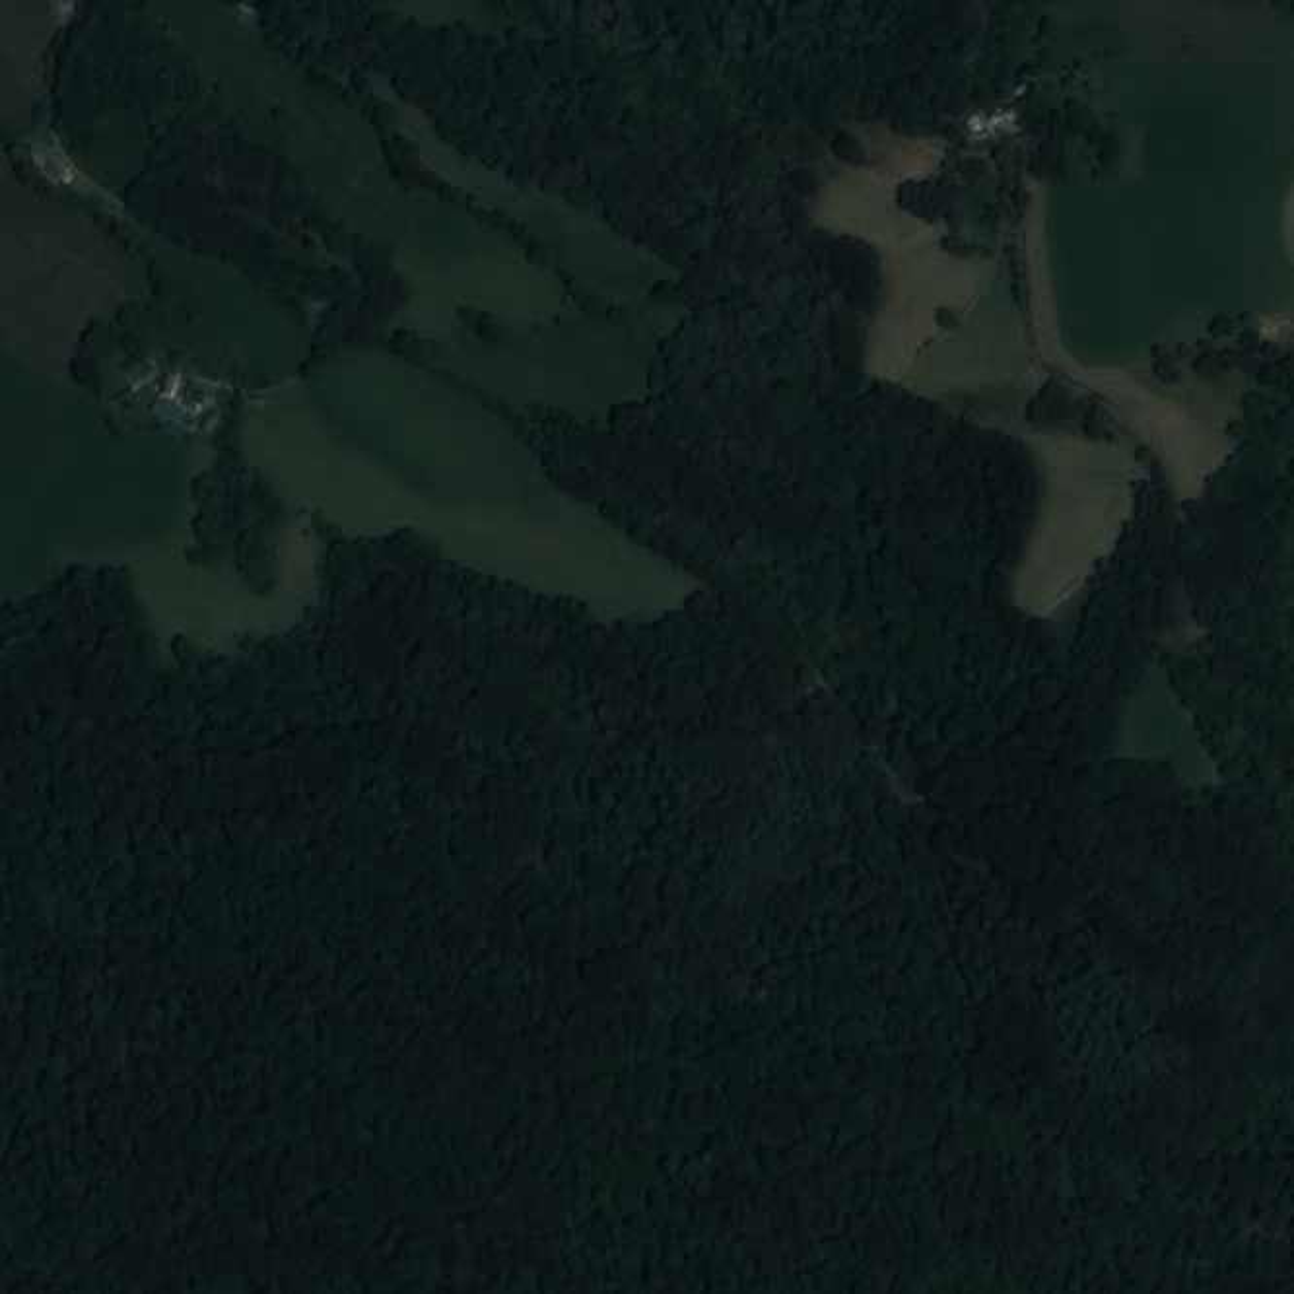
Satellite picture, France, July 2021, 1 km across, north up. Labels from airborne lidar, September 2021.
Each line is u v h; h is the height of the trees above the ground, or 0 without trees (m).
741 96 9
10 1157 19
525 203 0
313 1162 28
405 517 0
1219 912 12
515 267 0
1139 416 0
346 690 12
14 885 17
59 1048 19
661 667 14
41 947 19
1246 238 0
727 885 21
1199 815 22
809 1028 26
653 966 25
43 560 0
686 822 24
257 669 9
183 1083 26
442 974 18
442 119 21
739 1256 29
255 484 13
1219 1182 35
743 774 22
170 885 29
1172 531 11
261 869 28
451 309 0
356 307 17
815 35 26
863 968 25
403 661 19
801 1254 18
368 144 0
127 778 26
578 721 13
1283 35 0
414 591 23
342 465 0
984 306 0
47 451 0
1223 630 19
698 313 12
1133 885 12
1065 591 0
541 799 22
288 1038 24
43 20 0
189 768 23
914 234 0
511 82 23
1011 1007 36
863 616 15
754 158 21
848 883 29
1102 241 0
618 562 0
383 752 27
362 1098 28
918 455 26
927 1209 22
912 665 17
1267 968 24
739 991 22
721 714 18
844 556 8
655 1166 10
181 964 28
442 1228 27
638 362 0
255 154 21
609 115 24
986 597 12
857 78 15
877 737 28
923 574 20
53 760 24
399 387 0
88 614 22
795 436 9
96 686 26
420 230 0
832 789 26
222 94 20
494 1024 26
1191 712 10
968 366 0
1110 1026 36
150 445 0
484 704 27
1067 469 0
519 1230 28
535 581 0
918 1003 25
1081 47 0
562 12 22
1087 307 0
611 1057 26
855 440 17
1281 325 0
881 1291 24
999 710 18
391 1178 26
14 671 28
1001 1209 20
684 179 22
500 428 0
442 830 27
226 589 0
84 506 0
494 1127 25
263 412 0
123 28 23
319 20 17
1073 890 29
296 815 27
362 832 21
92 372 26
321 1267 28
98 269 0
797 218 26
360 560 10
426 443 0
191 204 22
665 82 21
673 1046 23
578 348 0
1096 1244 35
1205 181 0
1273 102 0
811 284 21
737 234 14
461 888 23
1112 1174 24
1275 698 15
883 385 13
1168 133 0
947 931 22
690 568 15
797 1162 28
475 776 20
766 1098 31
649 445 21
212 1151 28
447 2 0
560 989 26
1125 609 16
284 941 26
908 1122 15
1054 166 12
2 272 0
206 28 0
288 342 0
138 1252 27
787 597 19
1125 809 23
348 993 24
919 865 33
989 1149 11
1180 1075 18
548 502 0
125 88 19
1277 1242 7
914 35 31
